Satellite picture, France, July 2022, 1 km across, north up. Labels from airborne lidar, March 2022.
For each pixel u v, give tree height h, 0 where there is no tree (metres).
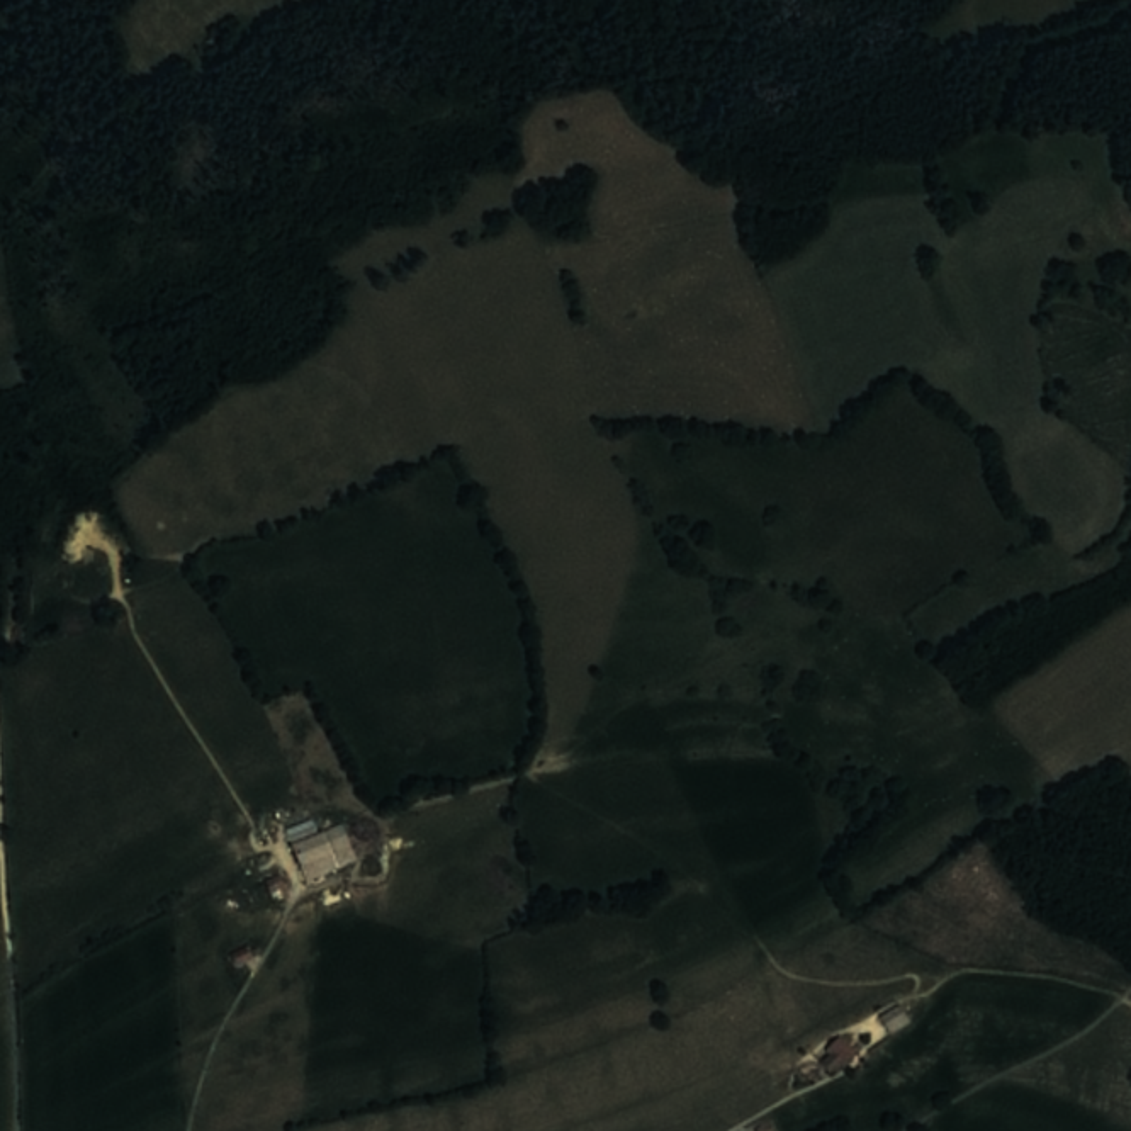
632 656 0
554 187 19
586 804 0
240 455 0
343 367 0
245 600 0
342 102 26
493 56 13
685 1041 0
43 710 0
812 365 0
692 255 0
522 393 0
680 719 0
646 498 12
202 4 0
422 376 0
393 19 21
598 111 0
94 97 30
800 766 16
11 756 0
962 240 0
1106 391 0
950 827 0
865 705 0
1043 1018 0
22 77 32
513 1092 0
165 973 0
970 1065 0
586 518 0
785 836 0
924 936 0
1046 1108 0
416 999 0
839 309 0
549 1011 0
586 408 0
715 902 0
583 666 0
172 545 0
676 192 0
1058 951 0
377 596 0
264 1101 0
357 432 0
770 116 32
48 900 0
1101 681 0
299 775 0
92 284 0
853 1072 16
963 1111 0
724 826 0
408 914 0
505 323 0
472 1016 0
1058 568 0
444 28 15
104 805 0
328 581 0
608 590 0
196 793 0
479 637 0
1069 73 16
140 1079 0
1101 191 0
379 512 0
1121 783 18
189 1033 0
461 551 0
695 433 16
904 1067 0
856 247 0
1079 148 0
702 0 26
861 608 0
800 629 0
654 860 0
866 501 0
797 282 0
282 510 0
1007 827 17
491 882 0
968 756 0
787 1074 0
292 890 0
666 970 0
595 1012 0
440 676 0
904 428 0
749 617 0
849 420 18
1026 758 0
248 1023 0
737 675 0
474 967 0
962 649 28
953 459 0
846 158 16
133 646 0
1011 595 0
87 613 0
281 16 15
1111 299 18
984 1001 0
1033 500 0
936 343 0
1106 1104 0
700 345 0
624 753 0
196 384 13
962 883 0
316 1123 6
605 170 0
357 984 0
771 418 0
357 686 0
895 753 0
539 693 10
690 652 0
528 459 0
